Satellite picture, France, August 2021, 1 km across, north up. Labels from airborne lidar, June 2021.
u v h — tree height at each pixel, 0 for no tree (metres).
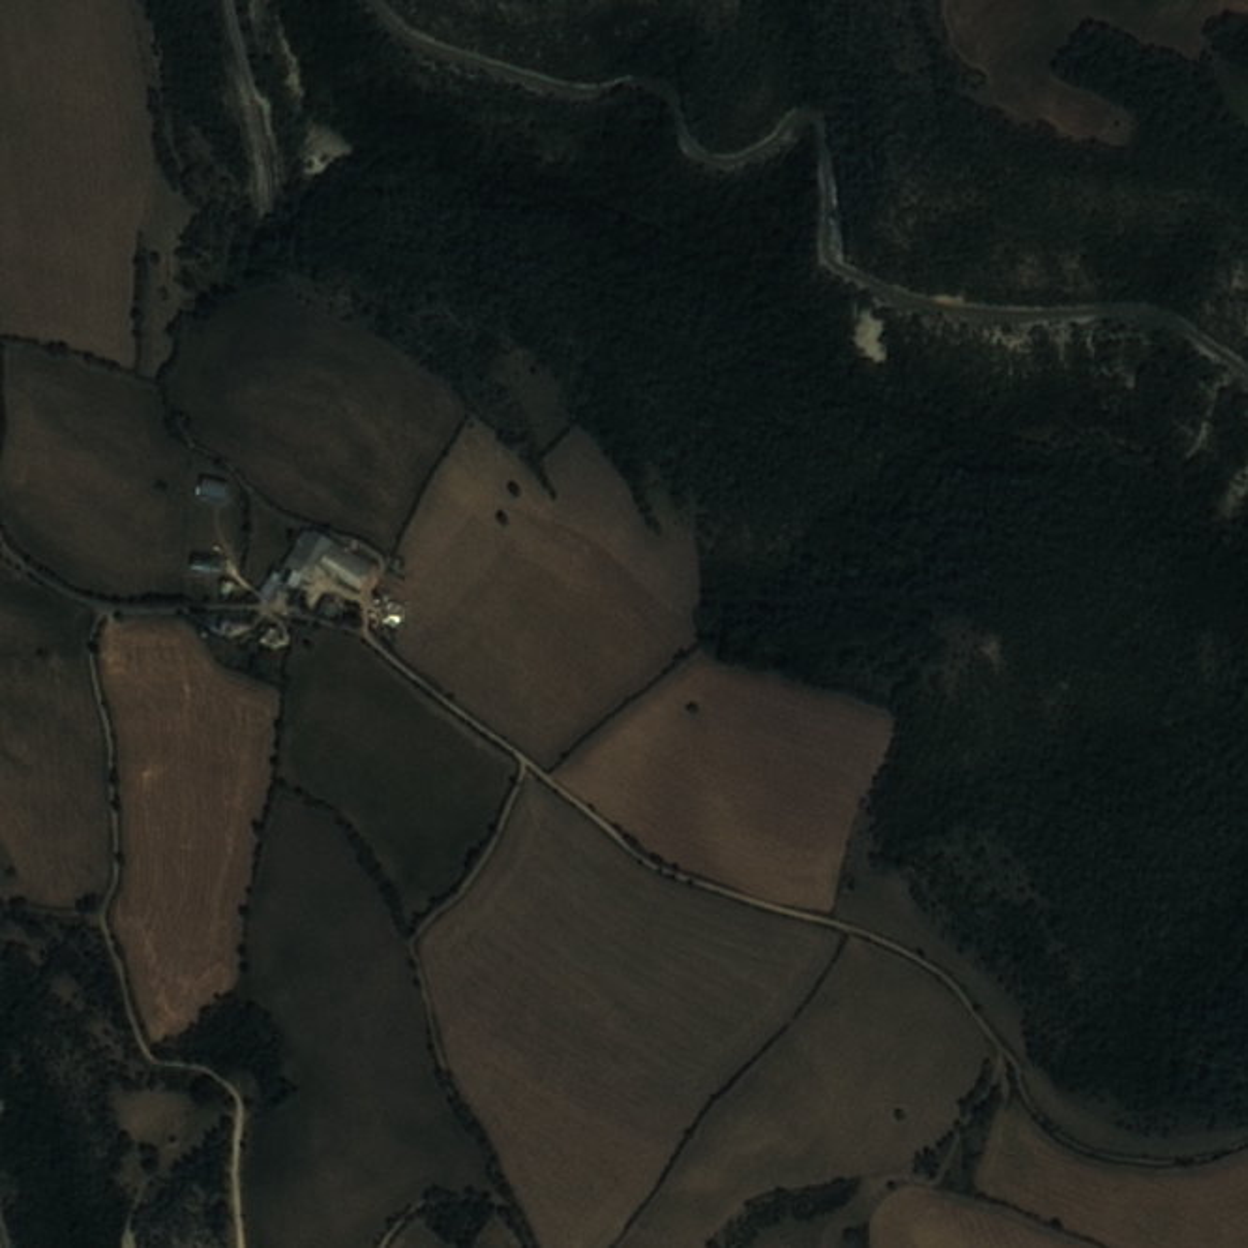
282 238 9
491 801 0
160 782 0
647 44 13
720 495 6
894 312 6
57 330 0
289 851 0
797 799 0
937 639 5
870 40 7
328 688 0
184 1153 0
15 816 0
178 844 0
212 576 0
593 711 0
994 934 7
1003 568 6
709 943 0
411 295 7
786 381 15
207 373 0
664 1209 0
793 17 7
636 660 0
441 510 0
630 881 0
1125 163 8
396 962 0
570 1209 0
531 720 0
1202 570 8
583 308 11
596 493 0
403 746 0
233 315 0
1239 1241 0
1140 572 7
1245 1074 5
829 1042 0
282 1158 0
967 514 8
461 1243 9
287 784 8
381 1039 0
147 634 0
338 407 0
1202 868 7
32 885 0
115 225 0
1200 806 8
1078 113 0
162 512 0
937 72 7
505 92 8
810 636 13
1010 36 0
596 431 7
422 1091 0
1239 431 8
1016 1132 0
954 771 6
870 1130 0
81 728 0
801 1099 0
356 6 9
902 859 9
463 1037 0
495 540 0
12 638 0
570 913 0
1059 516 10
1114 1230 0
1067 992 8
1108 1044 10
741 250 13
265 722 0
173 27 10
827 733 0
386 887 10
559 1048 0
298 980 0
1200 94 7
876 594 10
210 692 0
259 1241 0
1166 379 11
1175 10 0
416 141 16
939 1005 0
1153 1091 13
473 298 6
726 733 0
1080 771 15
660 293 11
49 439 0
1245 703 22
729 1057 0
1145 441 10
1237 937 12
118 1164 10
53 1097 8
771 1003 0
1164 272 11
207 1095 17
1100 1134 0
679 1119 0
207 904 0
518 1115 0
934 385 10
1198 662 6
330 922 0
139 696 0
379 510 0
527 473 0
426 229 13
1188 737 12
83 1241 11
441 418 0
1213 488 11
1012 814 8
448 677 0
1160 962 10
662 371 9
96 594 7
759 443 12
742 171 6
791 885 0
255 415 0
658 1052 0
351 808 0
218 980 0
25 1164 6
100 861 0
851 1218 0
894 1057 0
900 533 16
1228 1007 7
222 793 0
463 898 0
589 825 0
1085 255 7
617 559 0
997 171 7
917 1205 0
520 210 12
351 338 0
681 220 6
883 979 0
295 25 16
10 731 0
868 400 7
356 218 6
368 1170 0
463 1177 0
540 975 0
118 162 0
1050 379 7
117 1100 0
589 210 18
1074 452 7
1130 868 7
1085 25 9
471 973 0
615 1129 0
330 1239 0
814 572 15
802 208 9
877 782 9
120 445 0
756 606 18
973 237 8
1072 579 7
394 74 7
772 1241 0
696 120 6
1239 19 7
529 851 0
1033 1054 8
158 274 0
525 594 0
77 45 0
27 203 0
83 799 0
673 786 0
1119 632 9
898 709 7
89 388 0
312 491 0
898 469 14
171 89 7
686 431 9
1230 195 7
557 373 8
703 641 11
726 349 12
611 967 0
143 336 7
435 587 0
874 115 6
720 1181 0
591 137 8
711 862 0
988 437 9
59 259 0
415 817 0
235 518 0
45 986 7
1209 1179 0
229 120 8
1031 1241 0
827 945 0
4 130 0
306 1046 0
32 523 0
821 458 7
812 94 11
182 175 6
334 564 0
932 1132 0
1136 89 6
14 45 0
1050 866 6
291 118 7
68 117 0
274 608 0
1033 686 6
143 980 0
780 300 14
